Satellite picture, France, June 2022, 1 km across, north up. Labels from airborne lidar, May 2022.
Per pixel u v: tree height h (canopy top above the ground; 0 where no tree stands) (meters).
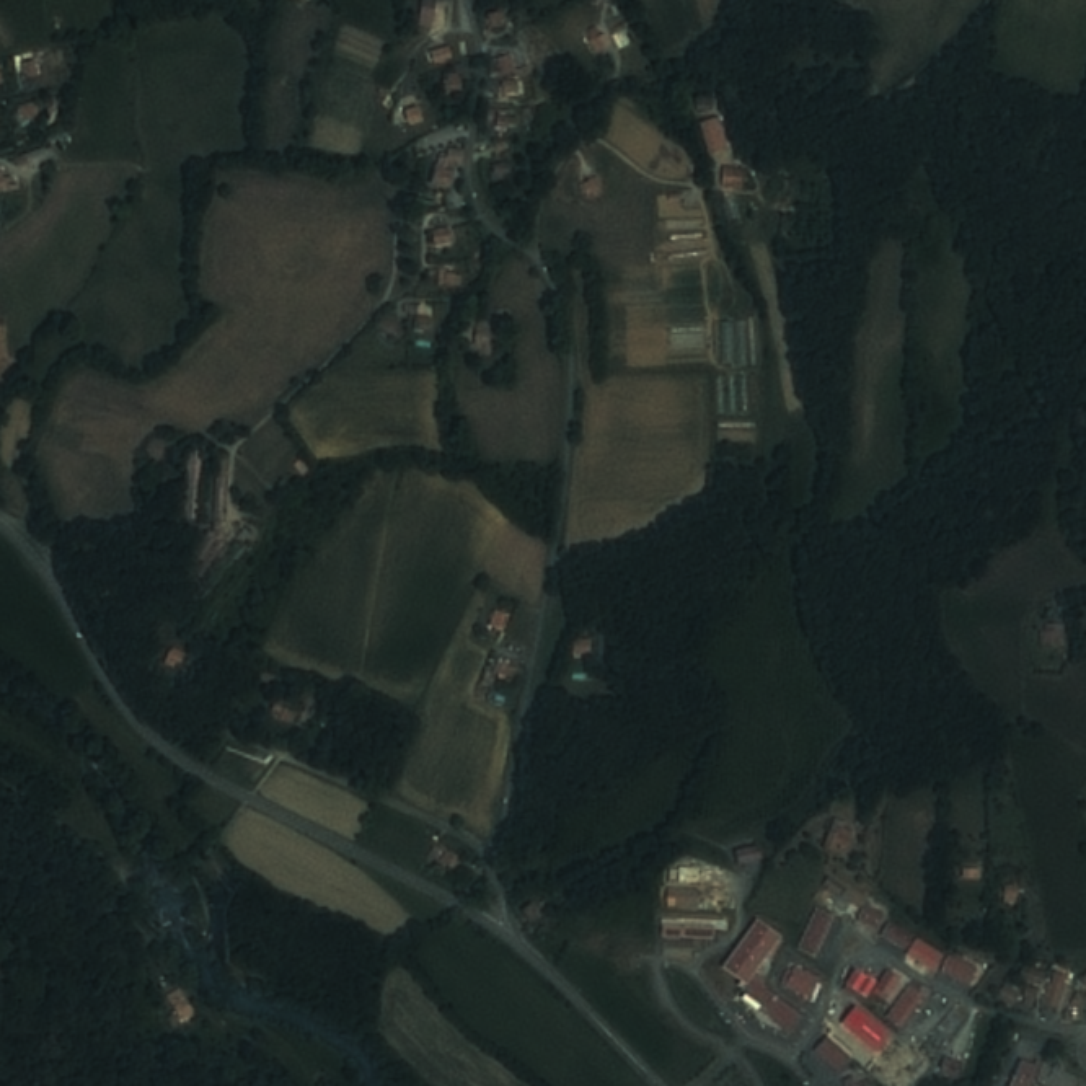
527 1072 8
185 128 0
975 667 0
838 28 23
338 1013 15
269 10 10
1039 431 24
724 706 12
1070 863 0
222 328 0
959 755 15
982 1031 0
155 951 10
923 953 0
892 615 16
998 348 24
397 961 9
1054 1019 0
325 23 0
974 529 24
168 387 0
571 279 8
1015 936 12
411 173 15
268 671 8
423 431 0
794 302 22
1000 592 0
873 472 0
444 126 7
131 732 0
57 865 27
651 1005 0
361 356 0
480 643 0
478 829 0
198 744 19
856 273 18
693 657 18
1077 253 15
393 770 11
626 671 20
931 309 0
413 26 12
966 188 27
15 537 0
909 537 26
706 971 0
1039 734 14
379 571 0
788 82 9
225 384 0
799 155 19
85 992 22
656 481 0
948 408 0
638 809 0
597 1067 0
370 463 8
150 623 24
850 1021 0
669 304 0
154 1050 21
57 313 11
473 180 0
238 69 0
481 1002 0
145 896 17
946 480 20
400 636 0
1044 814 0
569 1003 8
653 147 0
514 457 0
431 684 0
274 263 0
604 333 12
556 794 24
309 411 0
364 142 0
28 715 7
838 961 0
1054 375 23
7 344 0
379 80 0
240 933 16
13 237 0
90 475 0
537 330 0
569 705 16
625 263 0
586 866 17
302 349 0
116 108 0
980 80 22
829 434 17
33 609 0
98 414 0
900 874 0
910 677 10
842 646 24
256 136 17
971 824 0
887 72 0
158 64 0
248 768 0
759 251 0
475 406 0
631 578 19
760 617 0
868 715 21
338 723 17
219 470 10
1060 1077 0
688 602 20
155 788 0
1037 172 18
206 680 20
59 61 0
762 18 23
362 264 0
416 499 0
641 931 0
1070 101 16
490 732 0
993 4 7
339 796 0
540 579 0
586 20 0
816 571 21
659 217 0
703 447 0
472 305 22
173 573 22
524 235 27
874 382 0
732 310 0
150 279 0
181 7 27
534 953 0
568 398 0
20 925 17
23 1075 5
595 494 0
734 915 0
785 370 0
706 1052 0
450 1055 0
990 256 17
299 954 18
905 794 13
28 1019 18
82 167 0
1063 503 11
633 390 0
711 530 23
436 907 0
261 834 0
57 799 10
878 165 21
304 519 6
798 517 10
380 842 0
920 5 0
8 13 0
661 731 14
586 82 24
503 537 0
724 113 7
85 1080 16
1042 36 0
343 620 0
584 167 0
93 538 24
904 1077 0
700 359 0
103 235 0
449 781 0
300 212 0
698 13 0
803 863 0
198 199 17
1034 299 21
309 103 11
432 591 0
